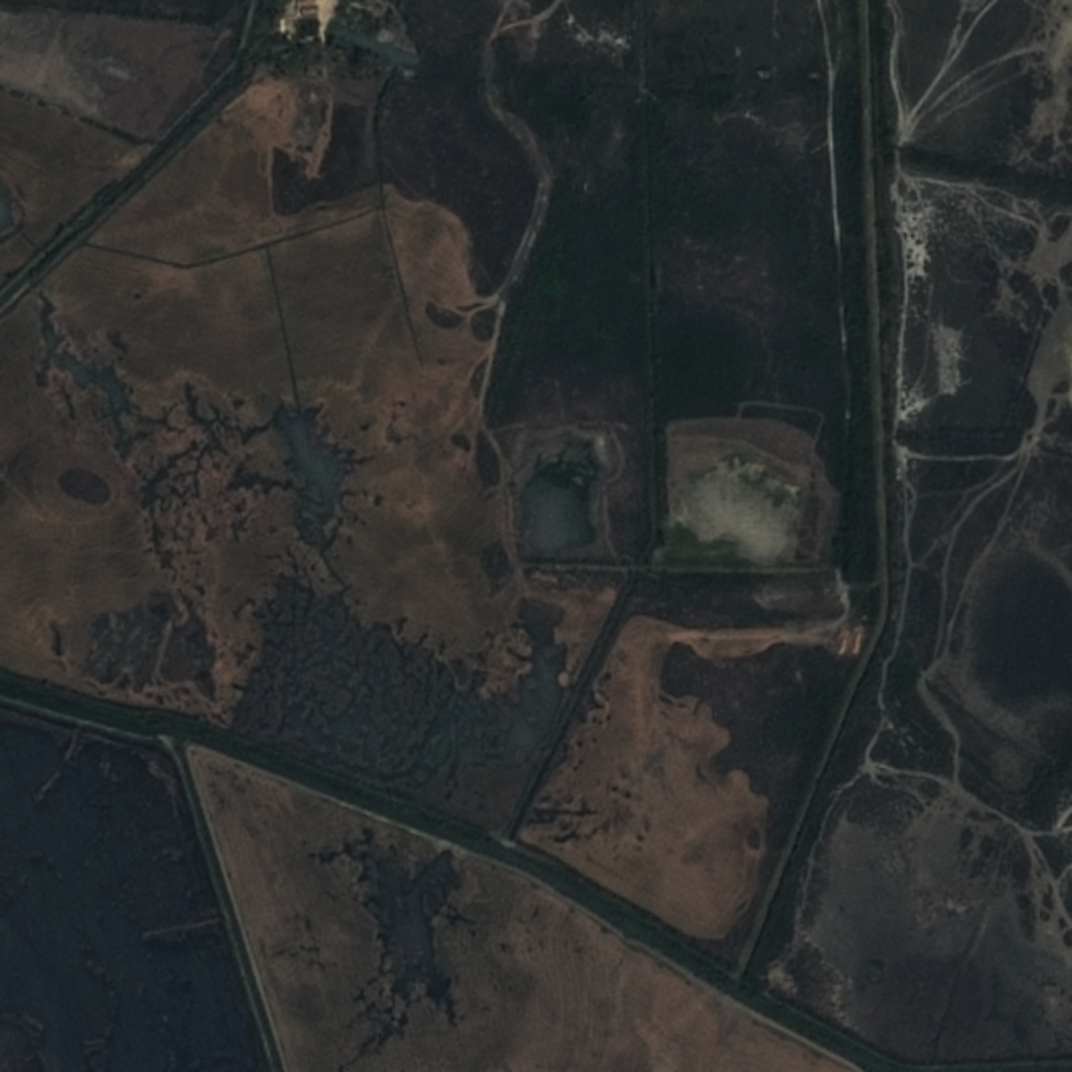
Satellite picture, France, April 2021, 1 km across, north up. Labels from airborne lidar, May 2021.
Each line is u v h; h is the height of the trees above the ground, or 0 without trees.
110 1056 0
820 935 0
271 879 0
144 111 0
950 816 0
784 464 0
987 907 0
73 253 0
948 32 0
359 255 0
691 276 0
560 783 0
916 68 0
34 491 0
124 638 0
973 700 0
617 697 0
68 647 0
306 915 0
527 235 0
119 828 0
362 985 0
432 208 0
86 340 0
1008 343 0
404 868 0
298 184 0
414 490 0
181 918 0
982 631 0
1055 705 0
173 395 0
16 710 0
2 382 0
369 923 0
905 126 0
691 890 0
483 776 0
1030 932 0
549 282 7
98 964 0
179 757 0
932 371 0
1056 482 0
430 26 0
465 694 0
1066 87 0
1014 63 0
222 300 0
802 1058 0
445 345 0
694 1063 0
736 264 0
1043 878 0
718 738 0
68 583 0
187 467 0
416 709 0
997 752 0
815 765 6
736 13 0
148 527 0
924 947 0
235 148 0
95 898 0
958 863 0
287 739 0
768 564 0
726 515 0
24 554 0
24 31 0
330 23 0
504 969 0
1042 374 0
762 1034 0
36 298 0
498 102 0
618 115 0
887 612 0
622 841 0
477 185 0
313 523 0
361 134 0
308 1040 0
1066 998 0
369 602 0
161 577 0
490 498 0
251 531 0
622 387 0
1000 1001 0
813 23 0
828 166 0
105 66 0
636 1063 0
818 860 0
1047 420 0
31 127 0
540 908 0
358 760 0
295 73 0
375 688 0
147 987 0
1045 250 0
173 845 0
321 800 0
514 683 0
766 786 0
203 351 0
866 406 6
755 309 0
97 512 0
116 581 0
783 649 0
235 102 0
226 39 0
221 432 0
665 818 0
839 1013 0
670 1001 0
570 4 0
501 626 0
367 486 0
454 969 0
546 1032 0
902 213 0
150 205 0
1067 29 0
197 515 0
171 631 0
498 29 0
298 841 0
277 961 0
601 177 0
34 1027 0
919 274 0
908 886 0
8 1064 0
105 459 0
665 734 0
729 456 0
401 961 0
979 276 0
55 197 0
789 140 0
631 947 0
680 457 0
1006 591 0
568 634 0
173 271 0
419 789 0
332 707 0
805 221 0
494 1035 0
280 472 0
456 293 0
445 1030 0
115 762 0
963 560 0
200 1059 0
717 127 0
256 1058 0
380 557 0
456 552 0
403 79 6
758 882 0
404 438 0
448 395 0
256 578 0
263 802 0
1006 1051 0
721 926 0
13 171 0
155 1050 0
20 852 0
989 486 0
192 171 0
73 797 0
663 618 0
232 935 0
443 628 0
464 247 0
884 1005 0
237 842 0
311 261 0
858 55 0
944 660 0
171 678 0
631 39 0
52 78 0
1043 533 0
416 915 0
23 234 0
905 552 0
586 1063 0
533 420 0
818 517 0
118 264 0
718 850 0
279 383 0
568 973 0
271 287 0
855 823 0
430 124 0
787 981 0
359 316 0
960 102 0
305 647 0
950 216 0
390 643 0
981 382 0
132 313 0
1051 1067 0
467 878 0
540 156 0
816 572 0
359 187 0
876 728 0
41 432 0
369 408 0
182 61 0
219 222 0
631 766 0
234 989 0
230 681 0
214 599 0
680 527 0
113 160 0
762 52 0
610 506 0
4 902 0
